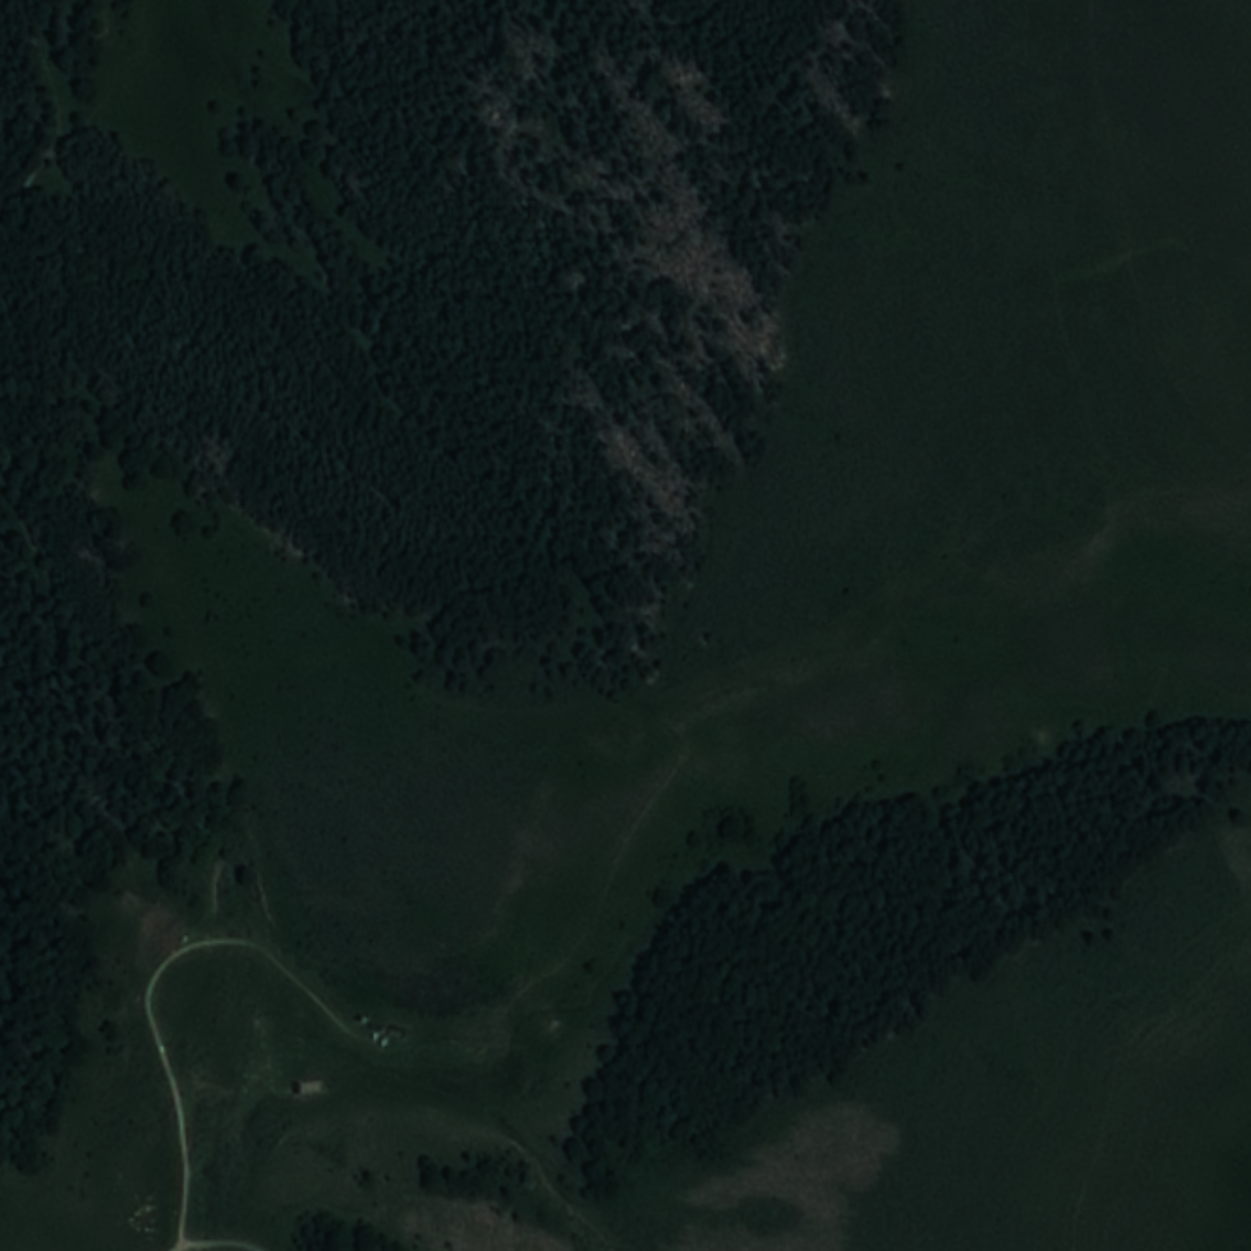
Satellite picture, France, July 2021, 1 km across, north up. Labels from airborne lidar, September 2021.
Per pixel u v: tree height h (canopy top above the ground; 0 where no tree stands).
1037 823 25
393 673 0
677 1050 26
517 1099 0
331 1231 6
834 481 0
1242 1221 0
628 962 0
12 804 12
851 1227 0
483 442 23
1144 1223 0
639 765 0
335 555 20
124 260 23
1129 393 0
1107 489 0
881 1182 0
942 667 0
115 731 25
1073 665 0
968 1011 0
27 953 28
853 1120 0
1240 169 0
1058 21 0
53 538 16
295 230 22
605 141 20
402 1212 0
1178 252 0
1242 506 0
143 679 18
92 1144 0
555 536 12
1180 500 0
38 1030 22
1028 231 0
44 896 27
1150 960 0
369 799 0
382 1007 0
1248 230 0
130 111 0
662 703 0
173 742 21
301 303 19
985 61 0
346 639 0
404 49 19
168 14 0
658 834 0
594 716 0
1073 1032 0
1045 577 0
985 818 21
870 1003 22
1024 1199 0
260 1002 0
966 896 26
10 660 20
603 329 23
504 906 0
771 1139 0
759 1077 21
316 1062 0
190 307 20
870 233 0
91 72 13
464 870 0
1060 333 0
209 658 0
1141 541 0
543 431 21
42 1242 0
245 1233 0
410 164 8
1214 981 0
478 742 0
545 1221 7
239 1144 0
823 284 0
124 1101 0
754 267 19
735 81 22
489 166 20
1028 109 0
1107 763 23
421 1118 0
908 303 0
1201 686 0
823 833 17
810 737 0
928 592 0
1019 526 0
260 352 28
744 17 24
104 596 14
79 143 17
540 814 0
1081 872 23
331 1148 0
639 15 10
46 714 29
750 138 15
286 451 23
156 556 0
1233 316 0
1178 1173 0
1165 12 0
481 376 16
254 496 18
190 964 0
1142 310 0
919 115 0
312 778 0
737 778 0
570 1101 0
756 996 25
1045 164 0
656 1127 13
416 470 23
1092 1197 0
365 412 19
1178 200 0
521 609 21
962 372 0
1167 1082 0
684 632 0
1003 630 0
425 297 19
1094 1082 0
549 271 13
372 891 0
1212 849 0
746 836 11
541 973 0
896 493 0
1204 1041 0
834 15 18
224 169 0
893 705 0
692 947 23
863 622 0
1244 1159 0
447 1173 10
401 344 23
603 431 14
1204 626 0
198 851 20
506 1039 0
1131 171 0
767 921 26
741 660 0
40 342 16
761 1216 0
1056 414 0
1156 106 0
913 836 20
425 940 0
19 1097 21
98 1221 0
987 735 0
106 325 23
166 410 26
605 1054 15
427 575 23
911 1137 0
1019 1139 0
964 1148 0
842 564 0
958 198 0
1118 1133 0
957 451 0
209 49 0
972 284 0
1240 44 0
